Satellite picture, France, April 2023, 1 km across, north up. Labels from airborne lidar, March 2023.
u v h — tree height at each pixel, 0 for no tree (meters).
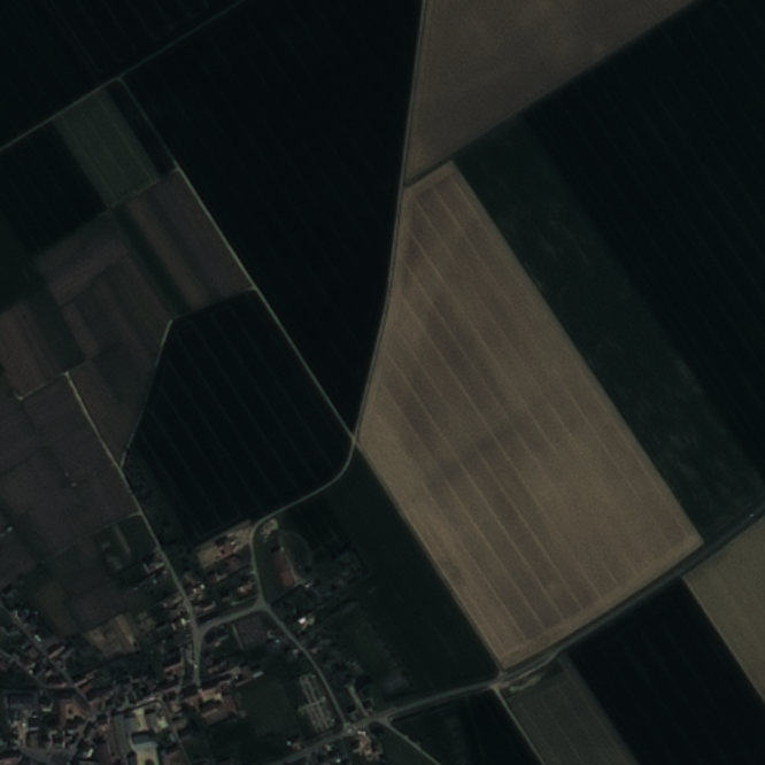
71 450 0
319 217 0
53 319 0
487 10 0
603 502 0
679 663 0
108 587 0
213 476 0
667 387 0
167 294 0
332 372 0
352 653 0
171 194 0
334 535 0
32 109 0
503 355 0
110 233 0
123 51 0
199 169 0
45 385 0
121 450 0
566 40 0
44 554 0
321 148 0
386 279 0
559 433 0
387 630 0
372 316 0
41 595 0
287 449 0
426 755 0
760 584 0
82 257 0
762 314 0
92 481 0
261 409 0
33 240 0
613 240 0
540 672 0
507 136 0
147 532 0
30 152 0
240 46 0
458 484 0
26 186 0
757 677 0
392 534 0
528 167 0
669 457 0
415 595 0
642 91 0
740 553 0
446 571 0
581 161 0
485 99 0
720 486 0
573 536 0
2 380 0
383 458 0
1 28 0
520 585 0
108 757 0
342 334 0
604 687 0
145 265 0
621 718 0
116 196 0
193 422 0
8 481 0
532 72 0
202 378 0
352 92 0
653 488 0
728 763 0
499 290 0
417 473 0
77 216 0
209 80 0
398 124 0
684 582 0
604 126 0
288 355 0
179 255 0
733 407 0
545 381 0
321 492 0
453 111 0
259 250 0
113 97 0
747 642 0
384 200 0
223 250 0
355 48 0
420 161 0
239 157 0
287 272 0
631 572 0
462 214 0
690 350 0
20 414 0
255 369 0
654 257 0
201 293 0
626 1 0
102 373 0
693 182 0
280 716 0
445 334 0
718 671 0
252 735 0
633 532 0
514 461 0
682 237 0
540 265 0
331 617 6
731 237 0
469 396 0
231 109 0
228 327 0
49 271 0
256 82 0
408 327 0
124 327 0
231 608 0
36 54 0
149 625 0
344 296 0
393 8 0
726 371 0
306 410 0
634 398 0
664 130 0
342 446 0
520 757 0
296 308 0
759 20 0
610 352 0
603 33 0
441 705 0
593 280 0
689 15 0
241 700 0
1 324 0
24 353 0
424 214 0
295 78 0
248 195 0
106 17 0
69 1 0
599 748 0
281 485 0
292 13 0
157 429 0
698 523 0
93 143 0
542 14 0
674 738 0
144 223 0
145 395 0
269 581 0
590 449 0
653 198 0
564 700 0
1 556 0
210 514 0
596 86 0
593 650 0
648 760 0
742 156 0
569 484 0
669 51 0
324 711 0
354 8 0
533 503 0
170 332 0
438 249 0
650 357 0
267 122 0
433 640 0
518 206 0
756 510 0
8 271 0
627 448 0
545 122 0
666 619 0
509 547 0
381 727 0
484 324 0
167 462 0
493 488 0
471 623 0
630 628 0
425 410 0
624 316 0
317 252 0
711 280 0
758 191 0
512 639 0
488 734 0
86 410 0
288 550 0
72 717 0
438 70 0
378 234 0
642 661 0
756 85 0
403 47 0
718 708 0
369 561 0
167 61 0
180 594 0
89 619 0
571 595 0
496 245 0
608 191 0
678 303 0
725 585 0
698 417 0
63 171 0
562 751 0
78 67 0
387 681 0
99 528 0
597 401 0
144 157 0
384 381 0
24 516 0
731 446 0
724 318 0
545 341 0
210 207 0
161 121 0
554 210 0
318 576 0
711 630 0
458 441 0
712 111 0
